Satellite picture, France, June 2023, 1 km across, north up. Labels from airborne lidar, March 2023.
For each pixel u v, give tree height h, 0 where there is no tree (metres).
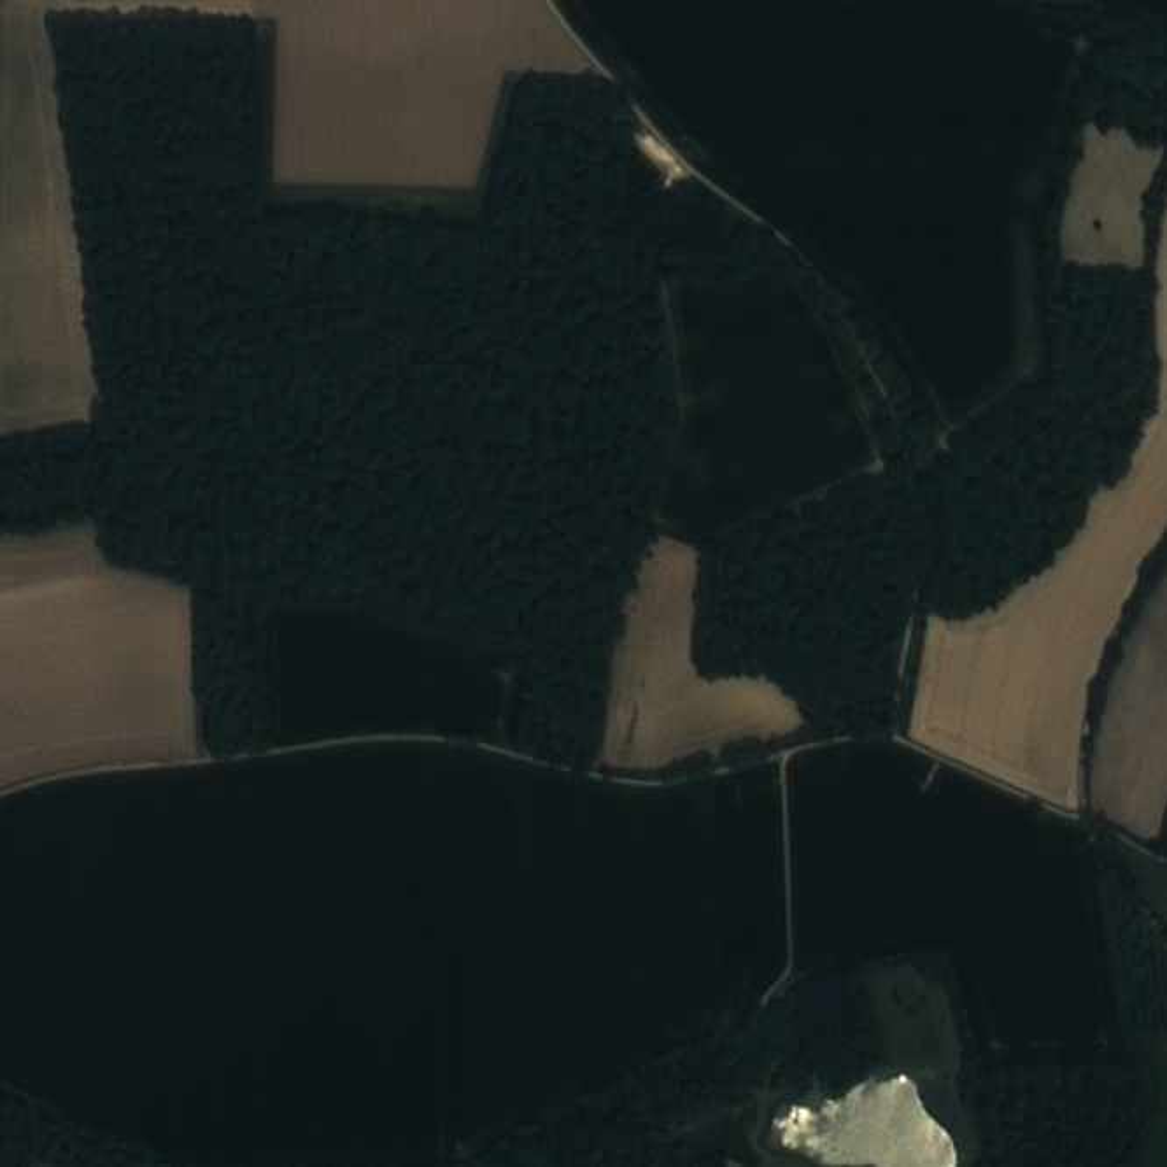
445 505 28
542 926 0
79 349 0
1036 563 24
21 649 0
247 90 23
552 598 28
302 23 0
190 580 12
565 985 0
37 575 0
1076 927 0
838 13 0
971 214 0
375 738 0
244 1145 0
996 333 0
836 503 20
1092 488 9
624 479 29
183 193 26
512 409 28
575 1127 26
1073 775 0
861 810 0
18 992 0
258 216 23
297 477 29
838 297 19
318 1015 0
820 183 0
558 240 33
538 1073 0
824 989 27
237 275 31
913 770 0
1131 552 0
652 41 0
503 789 0
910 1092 0
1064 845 0
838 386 0
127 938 0
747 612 23
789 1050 10
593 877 0
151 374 7
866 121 0
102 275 18
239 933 0
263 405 27
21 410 0
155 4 0
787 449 0
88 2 0
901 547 24
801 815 0
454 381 27
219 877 0
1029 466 15
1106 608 0
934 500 14
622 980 0
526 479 26
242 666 22
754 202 0
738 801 0
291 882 0
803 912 0
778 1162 0
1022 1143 22
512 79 0
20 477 22
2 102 0
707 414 0
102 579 0
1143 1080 27
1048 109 0
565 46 0
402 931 0
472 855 0
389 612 16
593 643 22
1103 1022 0
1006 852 0
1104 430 21
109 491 22
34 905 0
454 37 0
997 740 0
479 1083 0
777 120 0
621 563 27
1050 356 11
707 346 0
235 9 0
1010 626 0
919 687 0
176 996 0
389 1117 0
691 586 0
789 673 16
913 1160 0
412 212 0
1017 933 0
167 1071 0
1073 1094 23
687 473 0
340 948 0
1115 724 0
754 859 0
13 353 0
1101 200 0
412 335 30
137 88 25
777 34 0
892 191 0
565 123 28
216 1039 0
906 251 0
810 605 29
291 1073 0
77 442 11
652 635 0
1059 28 0
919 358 0
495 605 23
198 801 0
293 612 0
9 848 0
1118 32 16
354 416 28
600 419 29
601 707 18
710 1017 0
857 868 0
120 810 0
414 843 0
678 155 0
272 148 0
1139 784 0
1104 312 24
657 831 0
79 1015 0
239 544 25
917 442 23
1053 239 8
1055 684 0
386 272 31
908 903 0
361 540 26
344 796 0
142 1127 0
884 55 0
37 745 0
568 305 32
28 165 0
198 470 23
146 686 0
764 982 0
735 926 0
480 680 0
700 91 0
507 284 33
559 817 0
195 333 31
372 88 0
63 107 12
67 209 0
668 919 0
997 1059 0
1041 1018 0
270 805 0
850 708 13
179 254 31
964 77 0
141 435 29
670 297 0
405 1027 0
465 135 0
